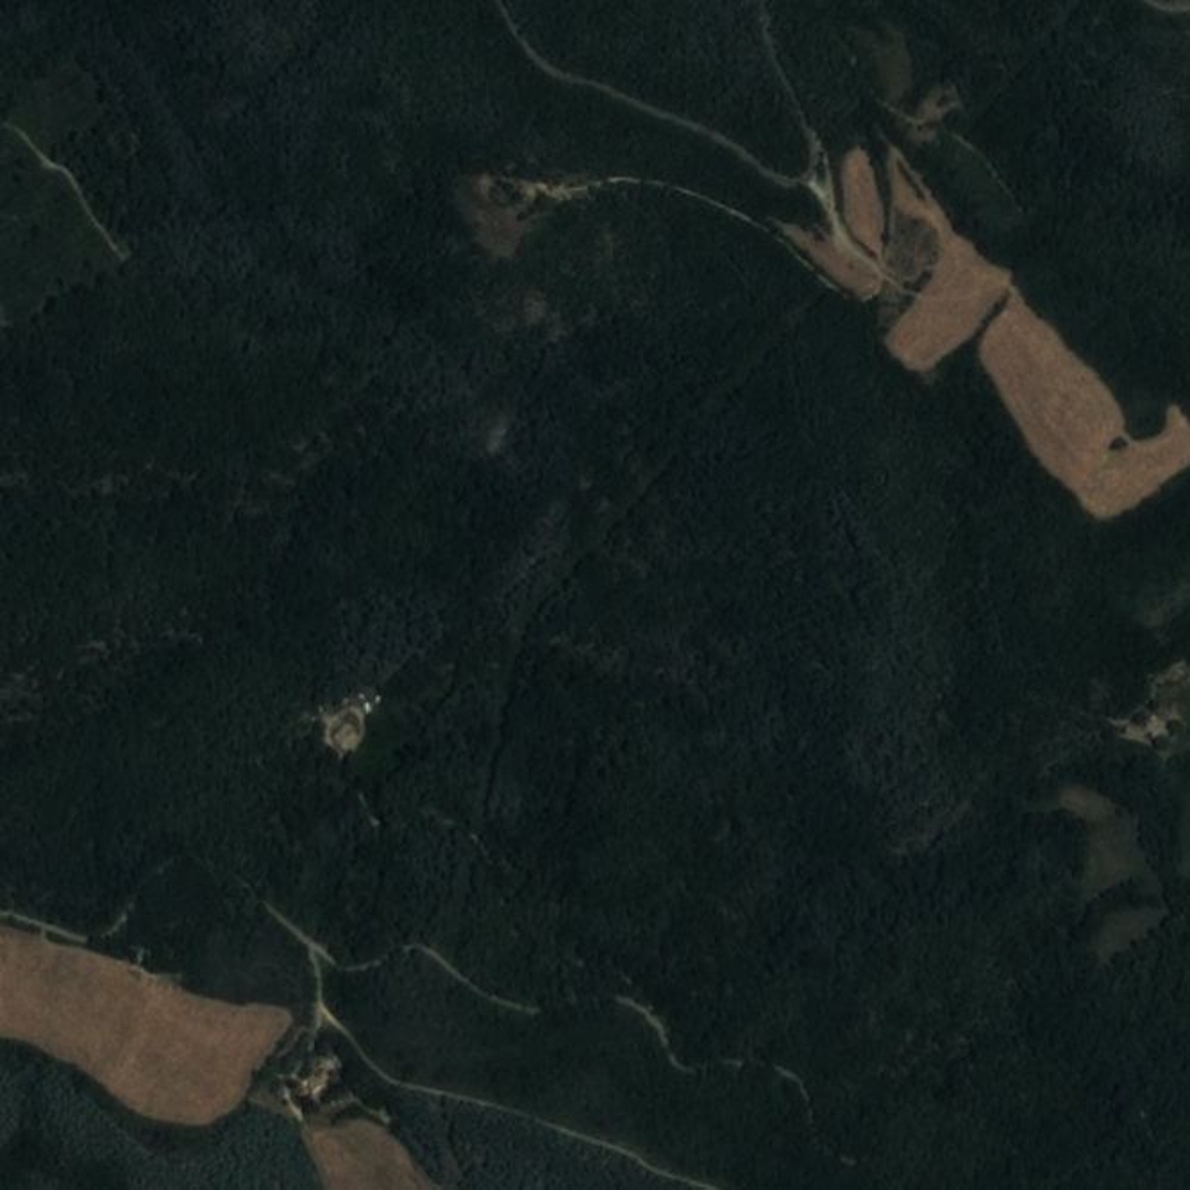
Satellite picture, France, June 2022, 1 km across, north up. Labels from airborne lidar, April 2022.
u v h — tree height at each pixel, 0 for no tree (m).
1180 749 0
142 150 14
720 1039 16
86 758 17
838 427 9
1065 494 6
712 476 10
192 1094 0
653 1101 6
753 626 17
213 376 20
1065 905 14
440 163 13
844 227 0
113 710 18
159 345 16
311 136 13
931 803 19
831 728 8
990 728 8
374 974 8
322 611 21
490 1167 15
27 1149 10
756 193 10
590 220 10
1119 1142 16
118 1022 0
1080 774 14
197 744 12
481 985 10
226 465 15
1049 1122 17
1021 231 8
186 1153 0
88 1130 10
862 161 0
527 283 8
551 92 9
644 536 14
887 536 16
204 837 13
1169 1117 13
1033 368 0
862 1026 14
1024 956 17
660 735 13
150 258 19
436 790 16
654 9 9
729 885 13
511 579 21
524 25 8
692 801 19
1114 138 10
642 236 7
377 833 21
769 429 8
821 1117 13
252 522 14
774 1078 9
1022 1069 14
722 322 13
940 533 11
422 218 12
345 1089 9
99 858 16
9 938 0
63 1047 0
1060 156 14
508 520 21
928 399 11
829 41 8
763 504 16
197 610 15
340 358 19
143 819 12
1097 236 13
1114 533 6
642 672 10
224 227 24
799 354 8
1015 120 7
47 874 8
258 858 15
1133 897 14
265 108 17
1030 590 7
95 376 18
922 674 17
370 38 10
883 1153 14
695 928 13
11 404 16
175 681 26
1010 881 9
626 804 15
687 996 14
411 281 13
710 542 12
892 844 7
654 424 15
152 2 12
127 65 21
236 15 14
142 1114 0
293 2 9
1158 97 11
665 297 11
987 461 9
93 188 20
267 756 10
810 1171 13
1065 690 12
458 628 15
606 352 19
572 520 17
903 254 0
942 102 14
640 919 16
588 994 10
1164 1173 17
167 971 11
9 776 14
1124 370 6
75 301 18
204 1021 0
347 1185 0
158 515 13
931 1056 13
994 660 12
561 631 17
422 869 14
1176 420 0
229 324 13
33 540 19
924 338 0
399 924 12
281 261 8
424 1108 10
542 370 13
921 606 12
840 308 10
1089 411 0
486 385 9
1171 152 9
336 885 8
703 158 11
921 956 14
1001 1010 11
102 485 19
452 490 20
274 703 14
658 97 9
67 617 15
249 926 10
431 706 13
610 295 9
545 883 15
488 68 10
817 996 12
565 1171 15
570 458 15
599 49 10
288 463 16
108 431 16
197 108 10
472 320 7
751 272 12
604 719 19
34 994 0
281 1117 8
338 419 16
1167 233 15
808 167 7
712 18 10
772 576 13
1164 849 14
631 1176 13
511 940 10
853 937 16
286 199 13
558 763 16
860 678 7
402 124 11
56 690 8
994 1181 21
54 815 12
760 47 15
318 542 17
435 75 11
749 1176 7
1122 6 8
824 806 19
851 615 11
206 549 11
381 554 16
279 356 15
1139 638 9
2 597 15
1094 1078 17
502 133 10
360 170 11
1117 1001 14
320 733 11
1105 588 7
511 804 15
